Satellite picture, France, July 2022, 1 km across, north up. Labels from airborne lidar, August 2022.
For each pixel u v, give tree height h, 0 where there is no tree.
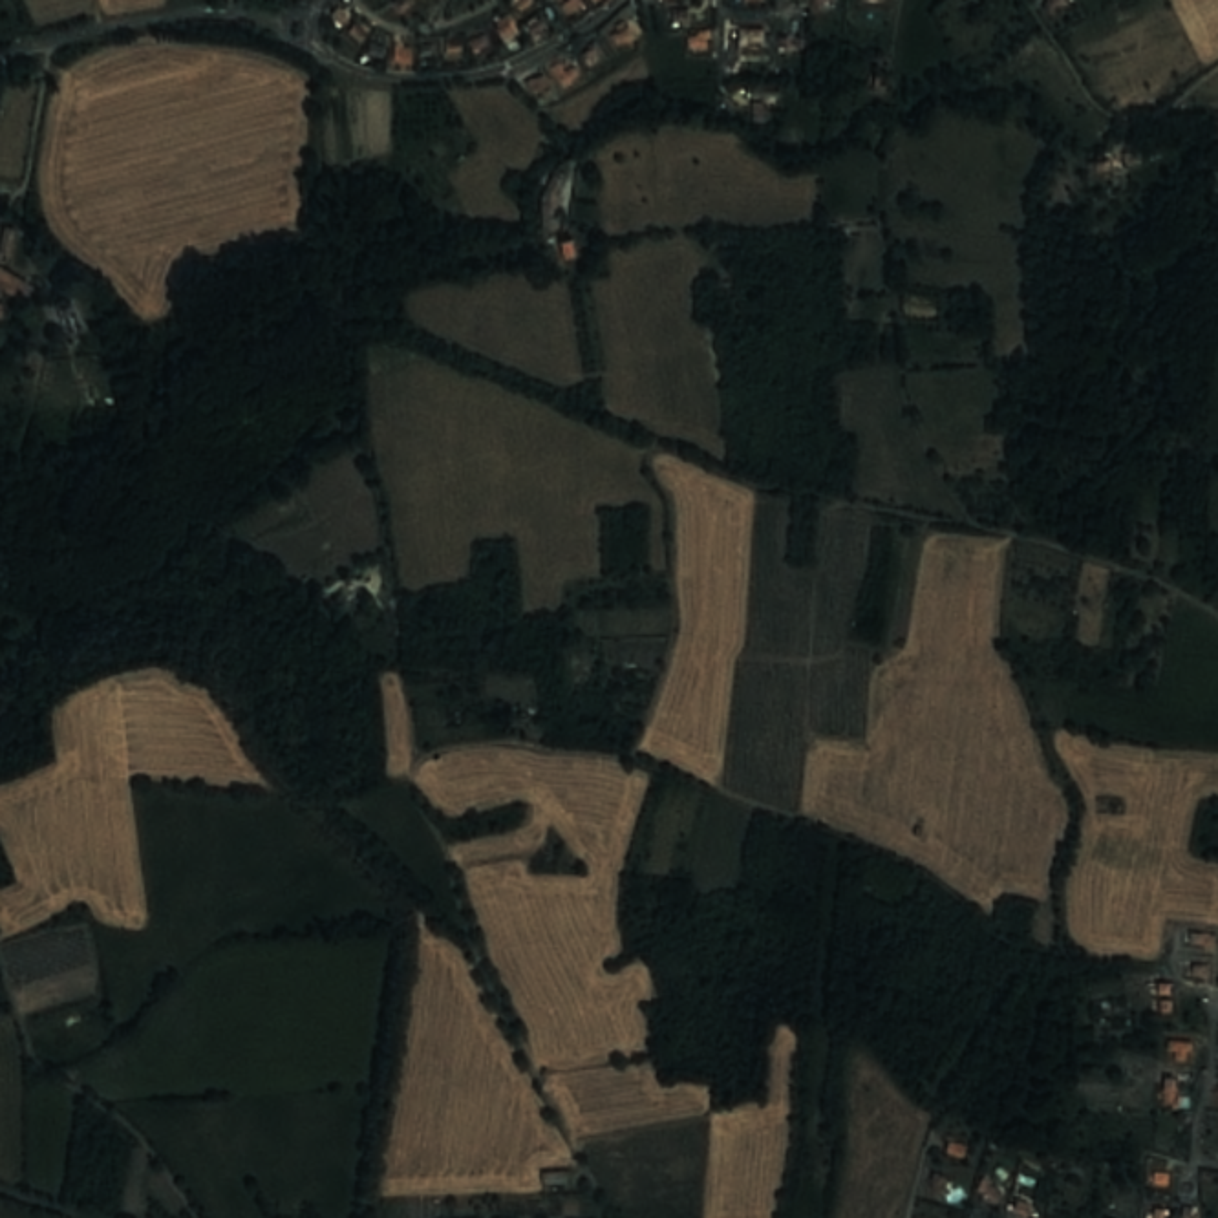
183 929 0
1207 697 0
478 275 19
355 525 0
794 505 7
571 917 0
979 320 16
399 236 20
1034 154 0
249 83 0
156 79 0
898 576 0
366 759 10
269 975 0
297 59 16
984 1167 7
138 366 25
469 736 0
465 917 9
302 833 0
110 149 0
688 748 0
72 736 0
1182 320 23
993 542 0
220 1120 0
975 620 0
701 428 0
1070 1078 8
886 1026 15
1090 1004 9
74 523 37
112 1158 12
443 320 0
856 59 8
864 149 7
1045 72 0
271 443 17
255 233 0
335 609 19
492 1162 0
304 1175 0
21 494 17
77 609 15
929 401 0
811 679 0
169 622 22
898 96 6
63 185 0
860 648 0
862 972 15
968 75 8
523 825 0
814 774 0
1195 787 0
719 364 6
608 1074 0
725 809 0
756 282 8
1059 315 21
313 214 19
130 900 0
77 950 0
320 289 25
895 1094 0
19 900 0
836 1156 9
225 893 0
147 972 0
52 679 15
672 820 0
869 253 0
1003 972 9
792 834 11
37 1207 8
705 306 11
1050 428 17
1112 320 22
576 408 8
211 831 0
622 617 0
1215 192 7
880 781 0
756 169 0
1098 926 0
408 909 20
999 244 0
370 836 11
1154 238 20
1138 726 0
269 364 32
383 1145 15
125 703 0
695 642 0
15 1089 0
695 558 0
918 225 0
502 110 0
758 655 0
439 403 0
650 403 0
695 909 9
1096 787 0
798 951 10
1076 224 17
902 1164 0
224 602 27
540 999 0
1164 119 15
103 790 0
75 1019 0
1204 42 0
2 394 0
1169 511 8
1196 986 0
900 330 15
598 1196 12
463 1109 0
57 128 0
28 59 15
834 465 11
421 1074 0
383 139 0
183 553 22
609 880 0
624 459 0
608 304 0
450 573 0
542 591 0
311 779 18
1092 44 0
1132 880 0
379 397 0
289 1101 0
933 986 7
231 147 0
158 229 0
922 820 0
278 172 0
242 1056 0
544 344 0
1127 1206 0
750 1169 0
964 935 8
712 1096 8
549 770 0
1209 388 20
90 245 0
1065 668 9
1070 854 10
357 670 6
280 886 0
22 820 0
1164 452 18
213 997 0
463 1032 0
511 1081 0
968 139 0
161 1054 0
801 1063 12
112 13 0
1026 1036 10
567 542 0
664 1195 0
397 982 20
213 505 21
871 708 0
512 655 10
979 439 0
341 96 0
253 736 15
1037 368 16
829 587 0
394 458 0
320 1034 0
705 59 0
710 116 17
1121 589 8
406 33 0
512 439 0
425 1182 0
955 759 0
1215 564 9
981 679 0
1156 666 7
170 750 0
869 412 0
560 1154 0
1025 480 12
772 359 6
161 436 19
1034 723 6
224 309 31
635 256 0
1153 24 0
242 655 24
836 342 9
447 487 0
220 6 8
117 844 0
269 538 0
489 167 0
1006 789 0
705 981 12
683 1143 0
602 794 0
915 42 0
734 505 0
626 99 9
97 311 9
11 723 14
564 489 0
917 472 0
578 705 8
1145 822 0
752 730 0
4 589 17
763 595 0
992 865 0
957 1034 11
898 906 10
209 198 0
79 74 0
